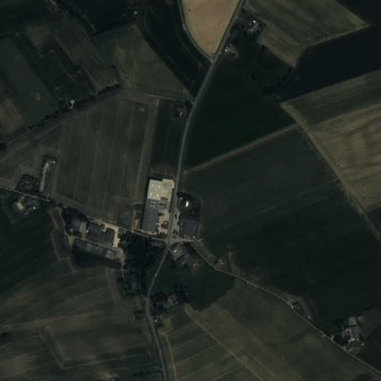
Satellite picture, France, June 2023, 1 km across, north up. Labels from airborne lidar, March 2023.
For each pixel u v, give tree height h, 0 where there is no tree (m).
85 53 0
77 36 0
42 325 0
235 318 0
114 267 0
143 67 0
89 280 0
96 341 0
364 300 0
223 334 0
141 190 0
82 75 0
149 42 0
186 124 0
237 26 13
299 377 0
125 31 0
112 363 0
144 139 0
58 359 0
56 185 0
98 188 0
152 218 0
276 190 0
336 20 0
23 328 0
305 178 0
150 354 0
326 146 0
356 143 0
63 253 0
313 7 0
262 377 0
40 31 0
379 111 0
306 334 0
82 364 0
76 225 0
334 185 0
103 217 0
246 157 0
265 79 0
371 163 0
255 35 11
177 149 0
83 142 0
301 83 0
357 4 0
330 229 0
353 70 0
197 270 0
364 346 0
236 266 0
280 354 0
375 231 0
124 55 0
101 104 0
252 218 0
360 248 0
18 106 0
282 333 0
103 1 0
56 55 0
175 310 0
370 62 0
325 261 0
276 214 0
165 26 0
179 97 0
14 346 0
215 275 0
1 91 0
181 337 0
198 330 0
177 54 0
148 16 0
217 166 0
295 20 0
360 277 0
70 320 0
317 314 0
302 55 0
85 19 0
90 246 0
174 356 0
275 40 0
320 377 0
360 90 0
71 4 0
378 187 0
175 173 0
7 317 0
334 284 0
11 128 0
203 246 0
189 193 0
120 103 0
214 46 0
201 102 0
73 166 0
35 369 0
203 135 0
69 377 0
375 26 0
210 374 0
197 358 0
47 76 0
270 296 0
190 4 0
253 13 0
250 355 0
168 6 0
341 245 0
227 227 0
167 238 0
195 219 0
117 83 0
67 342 0
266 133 0
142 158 0
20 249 0
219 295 0
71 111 0
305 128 0
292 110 0
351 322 0
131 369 0
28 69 0
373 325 0
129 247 12
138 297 0
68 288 0
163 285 0
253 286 0
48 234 0
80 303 0
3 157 0
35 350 0
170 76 0
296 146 0
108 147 0
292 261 0
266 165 0
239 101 0
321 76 0
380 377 0
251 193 0
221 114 0
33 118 0
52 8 0
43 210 0
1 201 0
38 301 0
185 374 0
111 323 0
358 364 0
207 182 0
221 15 0
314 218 0
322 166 0
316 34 0
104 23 0
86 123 0
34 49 0
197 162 0
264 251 0
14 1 0
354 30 0
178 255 0
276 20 0
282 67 0
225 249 0
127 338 0
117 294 0
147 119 0
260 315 0
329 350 0
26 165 0
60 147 0
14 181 0
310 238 0
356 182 0
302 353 0
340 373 0
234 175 0
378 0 0
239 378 0
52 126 0
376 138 0
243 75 0
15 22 0
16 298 0
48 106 0
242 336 0
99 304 0
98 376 0
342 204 0
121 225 0
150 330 0
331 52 0
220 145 0
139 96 0
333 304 0
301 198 0
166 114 0
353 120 0
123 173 0
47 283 0
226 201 0
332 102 0
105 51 0
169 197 0
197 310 0
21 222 0
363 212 0
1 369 0
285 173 0
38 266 0
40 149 0
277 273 0
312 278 0
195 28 0
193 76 0
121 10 0
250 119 0
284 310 0
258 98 0
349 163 0
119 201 0
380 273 0
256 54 0
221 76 0
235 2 0
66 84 0
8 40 0
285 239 0
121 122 0
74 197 0
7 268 0
